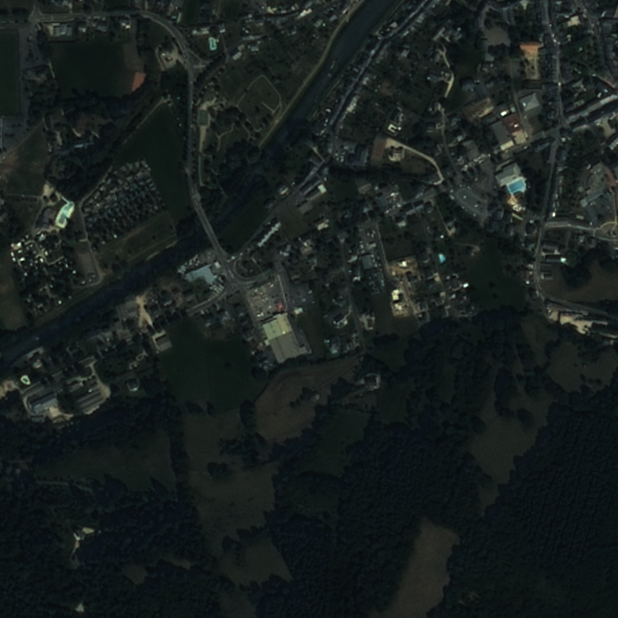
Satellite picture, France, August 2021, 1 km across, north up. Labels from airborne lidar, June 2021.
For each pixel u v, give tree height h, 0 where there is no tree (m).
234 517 0
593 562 23
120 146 19
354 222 12
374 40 13
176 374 0
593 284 0
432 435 25
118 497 30
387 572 24
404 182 0
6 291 0
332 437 0
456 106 0
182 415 21
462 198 0
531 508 21
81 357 15
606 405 20
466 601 11
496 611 11
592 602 21
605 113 0
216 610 22
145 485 0
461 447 21
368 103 9
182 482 14
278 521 22
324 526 11
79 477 0
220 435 0
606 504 23
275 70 0
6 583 20
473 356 11
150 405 19
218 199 20
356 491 24
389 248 0
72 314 0
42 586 24
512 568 18
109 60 0
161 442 0
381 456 22
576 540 24
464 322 9
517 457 0
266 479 0
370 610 19
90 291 0
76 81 0
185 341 0
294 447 11
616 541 24
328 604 35
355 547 19
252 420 21
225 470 14
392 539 26
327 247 12
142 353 0
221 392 0
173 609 6
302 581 33
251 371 0
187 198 0
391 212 0
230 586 19
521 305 0
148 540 45
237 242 0
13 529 18
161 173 0
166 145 0
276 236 8
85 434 24
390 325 0
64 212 0
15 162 0
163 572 20
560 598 7
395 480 33
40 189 0
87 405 0
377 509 21
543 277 0
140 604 20
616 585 29
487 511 0
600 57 10
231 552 14
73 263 8
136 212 6
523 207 6
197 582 22
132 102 20
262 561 0
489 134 17
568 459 23
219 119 9
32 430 14
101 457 0
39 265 10
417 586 0
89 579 21
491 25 11
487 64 0
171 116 0
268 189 15
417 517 16
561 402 14
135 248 0
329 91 0
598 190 0
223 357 0
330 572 38
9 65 0
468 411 12
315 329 0
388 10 0
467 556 22
